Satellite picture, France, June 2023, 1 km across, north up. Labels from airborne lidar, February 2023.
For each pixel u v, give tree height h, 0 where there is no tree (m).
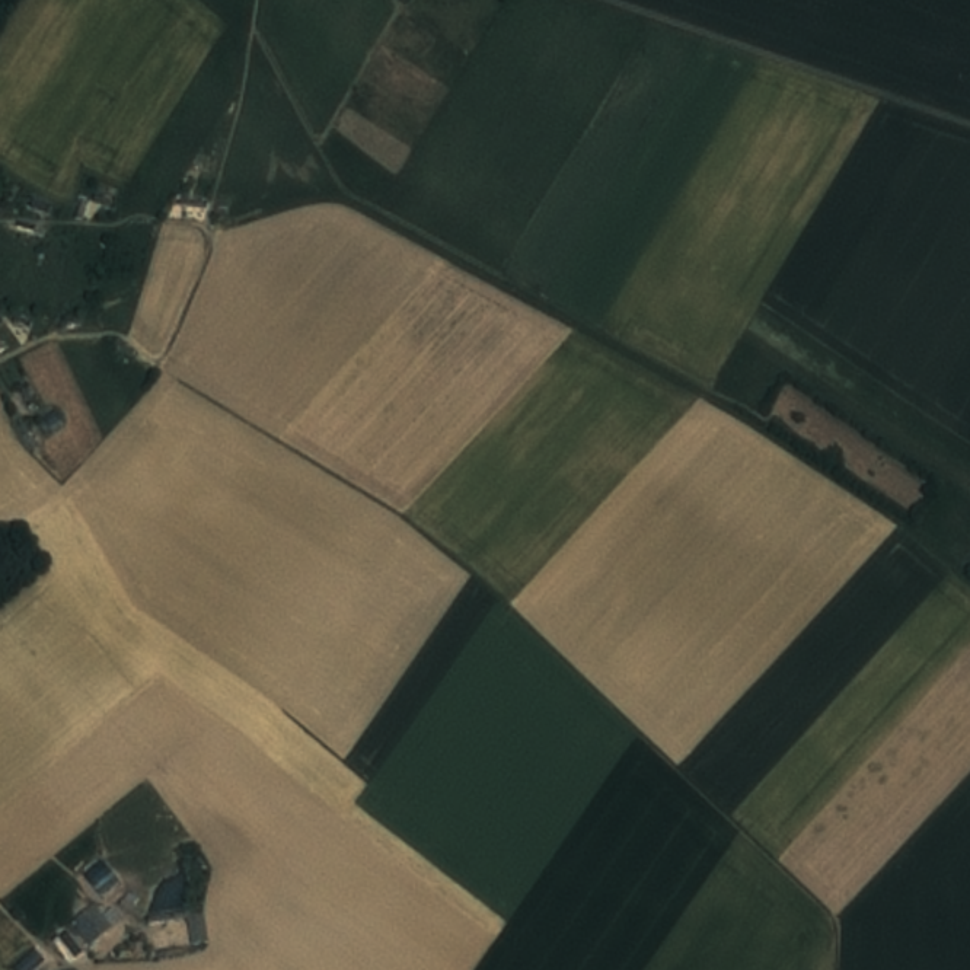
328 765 0
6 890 0
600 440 0
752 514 0
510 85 0
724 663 0
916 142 0
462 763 0
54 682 0
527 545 0
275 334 0
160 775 0
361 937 0
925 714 0
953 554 0
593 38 0
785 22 0
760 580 0
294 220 0
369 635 0
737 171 0
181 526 0
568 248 0
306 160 0
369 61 0
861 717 0
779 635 0
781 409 0
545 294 0
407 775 0
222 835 0
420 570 0
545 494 0
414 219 0
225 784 0
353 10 0
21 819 0
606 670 0
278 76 0
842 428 0
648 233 0
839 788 0
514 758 0
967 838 0
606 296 0
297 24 0
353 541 0
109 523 0
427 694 0
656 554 0
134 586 0
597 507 0
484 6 0
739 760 0
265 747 0
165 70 0
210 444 0
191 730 0
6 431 0
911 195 0
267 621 0
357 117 0
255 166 0
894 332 0
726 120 0
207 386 0
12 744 0
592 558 0
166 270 0
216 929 0
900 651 0
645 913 0
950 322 0
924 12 0
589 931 0
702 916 0
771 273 0
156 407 0
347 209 0
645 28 0
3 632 0
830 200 0
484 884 0
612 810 0
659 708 0
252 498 0
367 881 0
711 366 0
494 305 0
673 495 0
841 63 0
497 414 0
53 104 0
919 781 0
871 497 11
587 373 0
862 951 0
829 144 0
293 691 0
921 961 0
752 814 0
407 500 0
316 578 0
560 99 0
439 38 0
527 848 0
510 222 0
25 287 0
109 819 0
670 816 0
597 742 0
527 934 0
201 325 0
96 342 0
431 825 0
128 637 0
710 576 0
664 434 0
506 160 0
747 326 0
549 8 0
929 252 0
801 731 0
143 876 0
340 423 0
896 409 0
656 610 0
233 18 0
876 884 0
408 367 0
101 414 0
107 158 0
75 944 0
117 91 0
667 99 0
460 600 0
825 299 0
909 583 0
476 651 0
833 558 0
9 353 0
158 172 0
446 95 0
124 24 0
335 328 0
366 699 0
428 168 0
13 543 20
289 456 0
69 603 0
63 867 0
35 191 0
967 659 0
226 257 0
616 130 0
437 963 0
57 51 0
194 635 0
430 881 0
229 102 0
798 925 0
